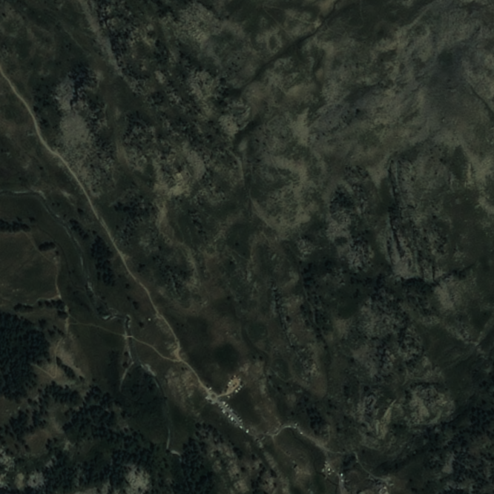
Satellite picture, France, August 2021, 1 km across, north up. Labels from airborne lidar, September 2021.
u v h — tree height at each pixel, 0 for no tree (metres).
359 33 0
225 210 0
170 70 0
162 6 14
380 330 0
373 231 0
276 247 0
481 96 0
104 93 0
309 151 0
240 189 0
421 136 0
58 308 13
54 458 0
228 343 0
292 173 0
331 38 0
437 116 0
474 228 0
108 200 0
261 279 0
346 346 0
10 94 0
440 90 0
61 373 0
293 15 0
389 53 0
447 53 0
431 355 0
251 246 0
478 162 0
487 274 0
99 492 10
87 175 0
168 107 0
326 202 0
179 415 0
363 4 0
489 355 0
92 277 0
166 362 0
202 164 0
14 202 0
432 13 0
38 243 0
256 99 0
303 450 0
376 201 0
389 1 0
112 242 0
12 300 0
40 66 0
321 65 0
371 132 0
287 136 0
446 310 0
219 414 0
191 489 19
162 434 0
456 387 0
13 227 6
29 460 0
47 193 0
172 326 0
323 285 0
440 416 0
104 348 0
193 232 0
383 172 0
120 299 0
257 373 0
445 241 6
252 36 0
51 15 0
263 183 0
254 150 0
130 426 0
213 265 0
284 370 0
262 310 0
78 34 0
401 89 0
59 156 0
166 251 0
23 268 0
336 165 0
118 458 9
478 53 0
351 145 0
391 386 0
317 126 0
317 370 0
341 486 0
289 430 0
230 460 0
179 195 0
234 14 0
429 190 0
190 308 0
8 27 0
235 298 0
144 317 0
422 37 0
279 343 0
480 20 0
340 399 0
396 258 0
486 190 0
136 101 0
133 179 0
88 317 0
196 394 0
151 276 0
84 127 0
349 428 0
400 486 0
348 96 0
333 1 0
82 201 0
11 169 0
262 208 0
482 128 0
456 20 0
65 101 0
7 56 0
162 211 0
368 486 0
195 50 0
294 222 0
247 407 0
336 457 0
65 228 0
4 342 13
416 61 0
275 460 0
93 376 0
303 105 0
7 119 0
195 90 0
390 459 0
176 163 0
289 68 0
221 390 0
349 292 0
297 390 0
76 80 7
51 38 0
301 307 6
